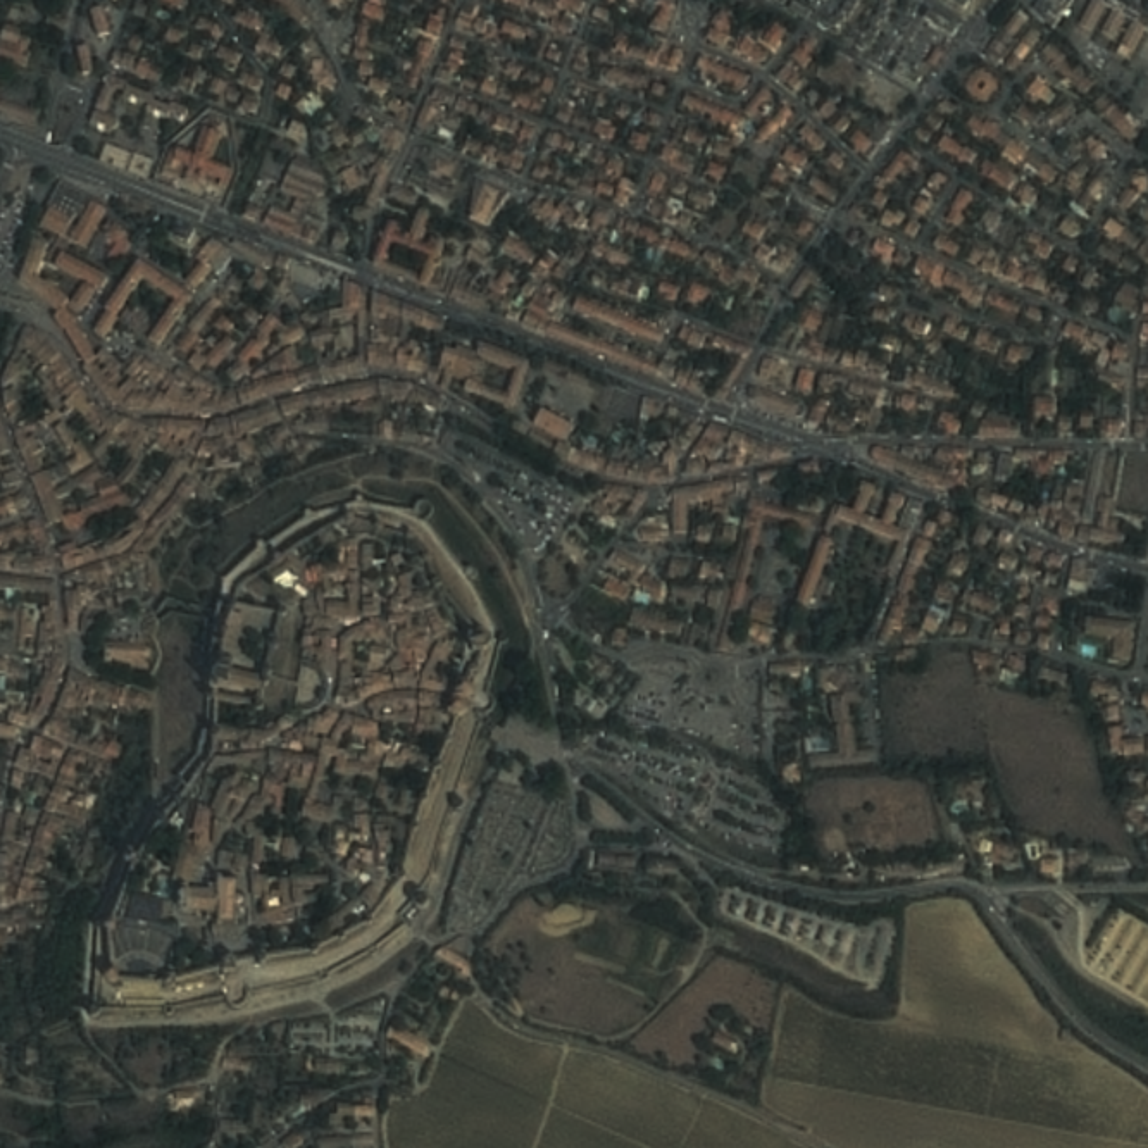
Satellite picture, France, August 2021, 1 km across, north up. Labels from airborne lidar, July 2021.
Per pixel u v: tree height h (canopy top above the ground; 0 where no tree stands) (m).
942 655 0
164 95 0
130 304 9
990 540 7
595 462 0
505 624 0
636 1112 0
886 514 0
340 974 0
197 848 0
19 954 11
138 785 9
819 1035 0
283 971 0
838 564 9
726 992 0
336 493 0
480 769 0
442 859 0
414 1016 7
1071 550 0
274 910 0
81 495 12
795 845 6
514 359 0
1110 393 8
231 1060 0
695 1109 0
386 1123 0
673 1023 0
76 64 15
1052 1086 0
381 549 6
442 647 0
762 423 0
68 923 8
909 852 11
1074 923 0
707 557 10
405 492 0
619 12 10
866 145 0
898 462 0
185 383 0
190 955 12
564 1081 0
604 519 0
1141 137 8
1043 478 7
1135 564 0
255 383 0
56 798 0
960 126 12
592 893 14
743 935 0
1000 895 0
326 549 8
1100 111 7
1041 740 0
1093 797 0
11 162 0
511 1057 0
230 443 0
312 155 5
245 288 7
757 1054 9
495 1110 0
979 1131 0
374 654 0
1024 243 7
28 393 7
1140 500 0
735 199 9
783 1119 0
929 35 0
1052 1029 0
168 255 12
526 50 8
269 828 7
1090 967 0
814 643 7
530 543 0
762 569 0
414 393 0
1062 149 10
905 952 0
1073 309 12
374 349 0
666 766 6
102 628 18
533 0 0
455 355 0
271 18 8
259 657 15
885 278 12
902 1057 0
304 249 0
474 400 6
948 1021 0
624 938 0
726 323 10
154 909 0
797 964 0
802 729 12
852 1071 0
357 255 9
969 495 21
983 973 0
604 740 7
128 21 7
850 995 0
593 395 0
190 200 0
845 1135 0
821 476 13
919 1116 0
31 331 0
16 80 6
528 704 23
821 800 0
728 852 0
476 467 0
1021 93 7
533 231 9
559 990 0
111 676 19
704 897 9
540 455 16
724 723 0
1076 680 17
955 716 0
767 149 0
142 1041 11
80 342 0
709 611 10
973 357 12
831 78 0
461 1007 0
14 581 0
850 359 0
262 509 0
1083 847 11
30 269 0
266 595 0
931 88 0
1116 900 11
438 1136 0
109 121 0
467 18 0
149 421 0
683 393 0
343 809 9
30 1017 10
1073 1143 0
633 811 8
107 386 0
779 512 0
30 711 0
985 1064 0
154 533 0
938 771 11
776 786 7
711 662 0
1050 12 0
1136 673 0
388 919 0
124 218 10
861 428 9
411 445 0
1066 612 9
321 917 13
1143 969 0
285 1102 8
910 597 8
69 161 0
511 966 10
